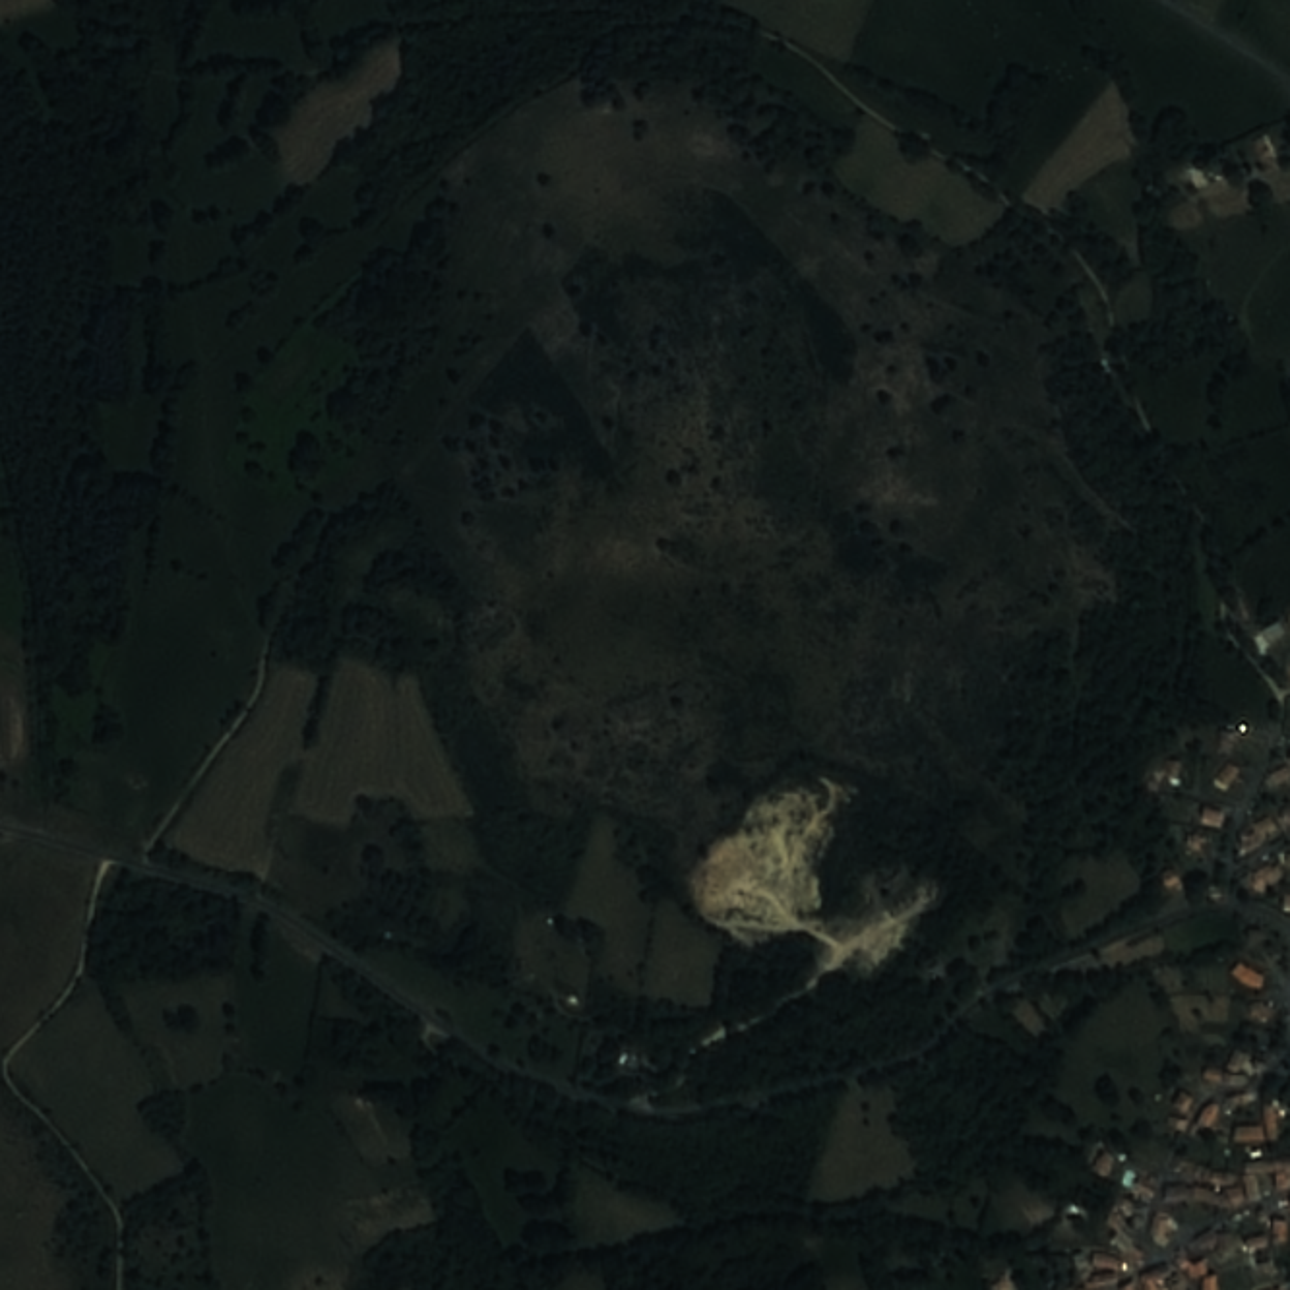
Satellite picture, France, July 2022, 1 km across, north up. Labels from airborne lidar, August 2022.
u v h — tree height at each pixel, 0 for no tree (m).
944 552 0
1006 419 0
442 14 13
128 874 11
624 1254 15
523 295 0
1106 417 16
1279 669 10
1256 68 0
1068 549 0
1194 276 11
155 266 8
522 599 0
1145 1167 0
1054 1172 12
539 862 5
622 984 0
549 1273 17
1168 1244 0
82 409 13
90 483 22
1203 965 8
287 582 7
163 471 17
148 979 14
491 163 0
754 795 7
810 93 0
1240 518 0
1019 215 12
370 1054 14
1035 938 12
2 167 15
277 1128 0
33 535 15
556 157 0
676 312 0
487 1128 0
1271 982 0
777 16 0
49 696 7
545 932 0
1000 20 0
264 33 0
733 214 0
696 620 0
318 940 0
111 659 0
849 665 0
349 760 0
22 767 0
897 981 7
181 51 6
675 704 9
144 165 9
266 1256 0
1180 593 8
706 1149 16
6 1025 0
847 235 0
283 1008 0
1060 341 6
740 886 0
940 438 0
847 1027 10
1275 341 0
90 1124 0
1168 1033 7
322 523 8
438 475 0
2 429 12
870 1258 17
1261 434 6
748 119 11
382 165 13
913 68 0
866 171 0
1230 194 0
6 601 0
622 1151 11
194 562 0
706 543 0
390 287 18
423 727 0
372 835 0
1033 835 13
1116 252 9
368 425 6
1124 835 15
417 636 0
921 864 6
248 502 0
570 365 0
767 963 11
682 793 0
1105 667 13
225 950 12
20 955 0
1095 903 0
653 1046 12
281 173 0
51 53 13
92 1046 0
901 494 0
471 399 0
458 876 0
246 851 0
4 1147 0
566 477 0
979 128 10
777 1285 12
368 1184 0
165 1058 0
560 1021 6
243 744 0
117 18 19
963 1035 13
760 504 0
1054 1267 11
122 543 28
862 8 0
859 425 0
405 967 0
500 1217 0
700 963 0
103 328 29
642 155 0
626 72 11
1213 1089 0
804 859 0
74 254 16
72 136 14
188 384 6
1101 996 17
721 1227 18
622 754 0
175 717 0
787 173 0
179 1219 8
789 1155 11
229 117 15
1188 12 0
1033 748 13
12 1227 0
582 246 0
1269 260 0
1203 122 0
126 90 14
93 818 0
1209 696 9
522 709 0
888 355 0
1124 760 14
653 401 0
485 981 8
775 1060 14
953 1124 11
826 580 0
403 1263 7
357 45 17
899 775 0
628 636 0
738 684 0
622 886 0
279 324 0
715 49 12
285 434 0
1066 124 0
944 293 0
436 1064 14
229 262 6
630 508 0
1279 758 9
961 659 0
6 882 0
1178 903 0
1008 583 0
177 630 0
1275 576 0
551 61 7
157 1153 0
